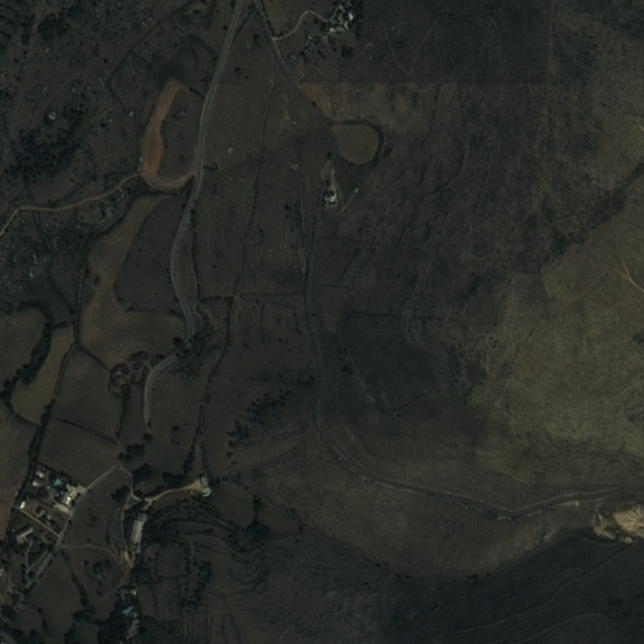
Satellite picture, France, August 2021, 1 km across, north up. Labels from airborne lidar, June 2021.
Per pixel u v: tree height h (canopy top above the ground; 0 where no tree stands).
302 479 0
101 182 0
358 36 9
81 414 0
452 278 0
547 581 0
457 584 0
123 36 0
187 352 11
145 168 0
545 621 0
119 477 0
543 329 0
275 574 0
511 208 0
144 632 14
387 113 0
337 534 0
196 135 0
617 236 0
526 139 0
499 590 0
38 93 0
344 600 0
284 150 0
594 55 0
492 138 0
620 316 0
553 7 0
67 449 0
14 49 0
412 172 0
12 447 0
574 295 0
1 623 15
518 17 0
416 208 0
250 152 0
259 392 0
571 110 0
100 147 0
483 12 0
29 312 0
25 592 7
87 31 0
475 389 0
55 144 6
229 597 0
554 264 0
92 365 0
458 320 0
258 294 0
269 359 0
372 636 0
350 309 0
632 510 0
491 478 0
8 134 0
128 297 0
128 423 0
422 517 0
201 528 0
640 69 0
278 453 0
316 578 0
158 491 6
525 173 0
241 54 0
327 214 0
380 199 0
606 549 0
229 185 0
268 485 0
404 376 0
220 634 0
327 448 0
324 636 0
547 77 0
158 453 0
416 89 0
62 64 0
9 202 0
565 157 0
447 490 0
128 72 0
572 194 0
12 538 10
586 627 0
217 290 0
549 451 0
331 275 0
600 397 0
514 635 0
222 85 0
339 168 0
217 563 0
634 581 0
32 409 0
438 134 0
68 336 0
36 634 15
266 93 0
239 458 0
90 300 0
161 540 7
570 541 0
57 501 7
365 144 0
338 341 0
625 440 0
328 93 0
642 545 0
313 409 0
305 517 0
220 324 0
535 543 0
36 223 0
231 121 0
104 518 0
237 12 0
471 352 0
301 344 0
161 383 0
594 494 0
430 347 0
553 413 0
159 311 0
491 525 0
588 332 0
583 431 0
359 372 0
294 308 0
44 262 0
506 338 0
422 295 0
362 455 0
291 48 0
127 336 0
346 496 0
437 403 0
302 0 0
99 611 0
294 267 0
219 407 0
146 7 0
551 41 0
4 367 0
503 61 0
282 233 0
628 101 0
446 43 0
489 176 0
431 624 0
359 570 0
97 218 0
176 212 0
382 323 0
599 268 0
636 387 0
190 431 0
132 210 0
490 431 0
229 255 0
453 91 0
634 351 0
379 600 0
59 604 0
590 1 0
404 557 0
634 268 0
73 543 0
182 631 0
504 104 0
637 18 0
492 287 0
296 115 0
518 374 0
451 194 0
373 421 0
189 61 0
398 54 0
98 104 0
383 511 0
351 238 0
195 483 0
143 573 10
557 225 0
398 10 0
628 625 0
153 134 0
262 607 0
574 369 0
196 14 8
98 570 12
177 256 0
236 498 0
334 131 0
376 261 0
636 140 0
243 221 0
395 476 0
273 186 0
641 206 0
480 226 0
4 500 0
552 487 0
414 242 0
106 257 0
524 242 0
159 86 0
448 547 0
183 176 0
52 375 0
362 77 0
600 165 0
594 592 0
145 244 0
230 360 0
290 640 0
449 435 0
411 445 0
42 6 0
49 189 0
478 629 0
